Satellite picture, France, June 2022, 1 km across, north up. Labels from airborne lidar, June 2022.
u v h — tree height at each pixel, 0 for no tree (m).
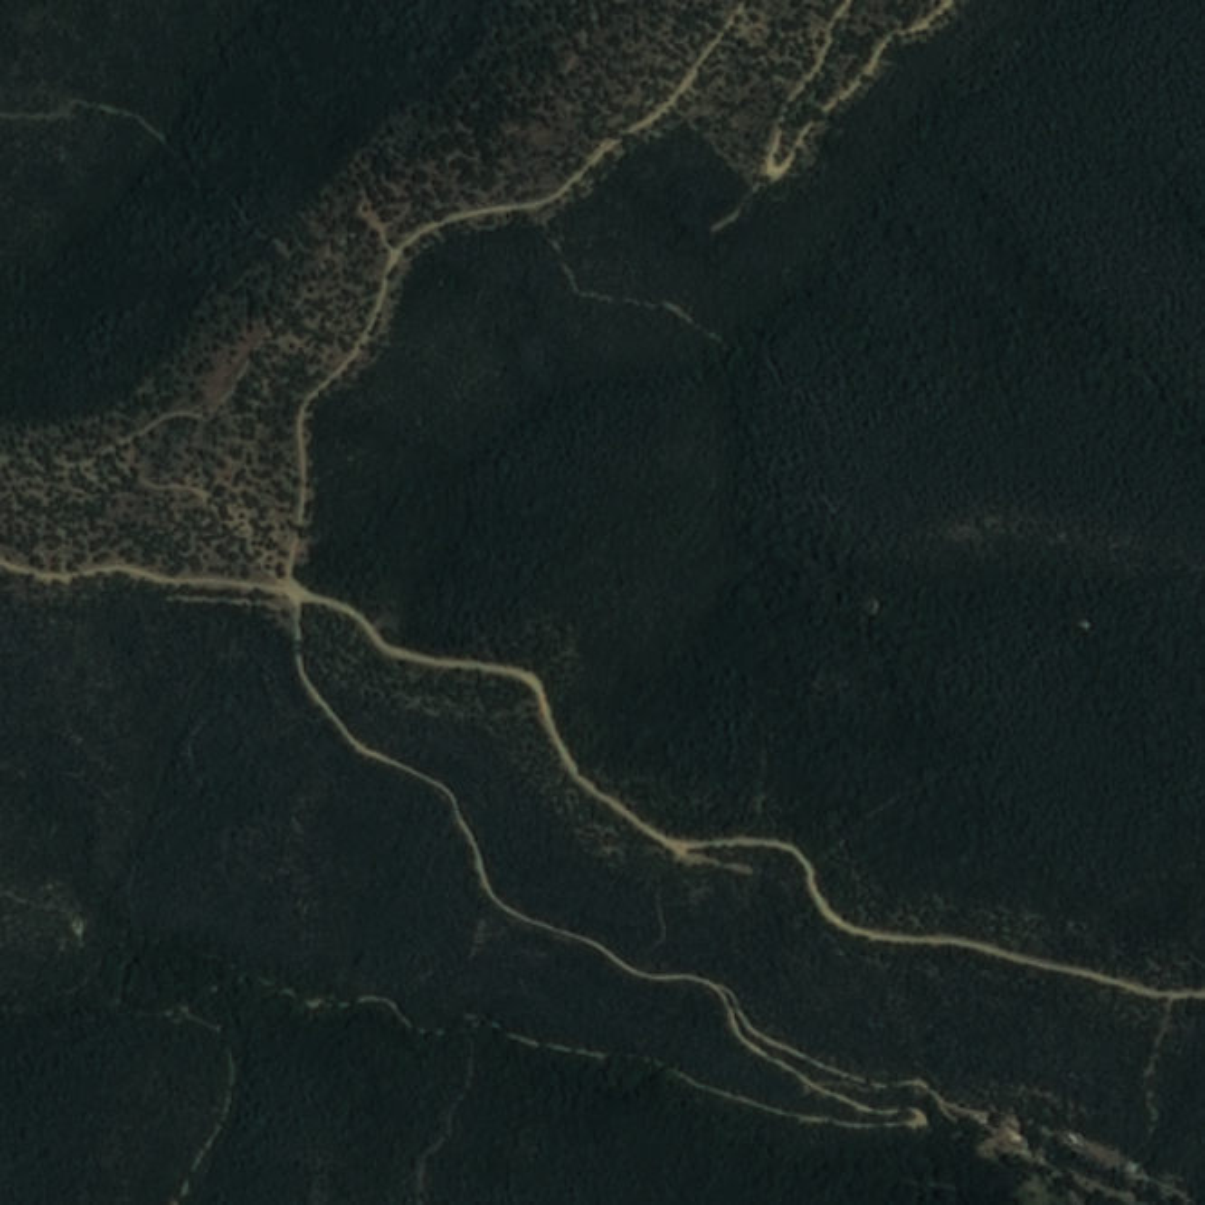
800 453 11
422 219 9
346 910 8
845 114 9
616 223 8
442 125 8
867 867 7
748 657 11
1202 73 9
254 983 13
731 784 9
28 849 8
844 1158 10
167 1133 6
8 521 6
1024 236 10
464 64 8
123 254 7
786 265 9
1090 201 13
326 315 6
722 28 10
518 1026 8
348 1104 10
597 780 6
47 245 7
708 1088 7
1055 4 12
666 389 7
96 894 6
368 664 6
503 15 8
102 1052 6
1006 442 10
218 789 8
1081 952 6
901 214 5
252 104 6
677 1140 10
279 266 8
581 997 6
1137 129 9
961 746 6
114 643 13
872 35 9
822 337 13
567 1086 13
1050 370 10
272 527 7
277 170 6
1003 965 6
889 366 9
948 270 9
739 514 11
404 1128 6
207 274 7
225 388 0
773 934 6
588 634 7
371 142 6
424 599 6
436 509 6
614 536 6
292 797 6
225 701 9
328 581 8
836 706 7
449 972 8
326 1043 6
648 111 7
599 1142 8
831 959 7
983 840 7
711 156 6
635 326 7
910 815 8
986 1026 7
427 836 7
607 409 11
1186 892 6
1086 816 9
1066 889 6
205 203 6
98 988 9
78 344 6
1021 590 11
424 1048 7
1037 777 9
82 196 8
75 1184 7
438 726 6
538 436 13
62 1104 7
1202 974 8
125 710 6
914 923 7
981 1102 9
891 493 9
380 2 6
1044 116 10
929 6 7
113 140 8
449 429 9
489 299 7
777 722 9
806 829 7
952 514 7
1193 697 8
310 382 10
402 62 6
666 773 11
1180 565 7
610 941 7
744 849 7
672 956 8
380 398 7
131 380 7
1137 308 11
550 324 7
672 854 7
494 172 9
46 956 6
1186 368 9
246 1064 9
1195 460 7
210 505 7
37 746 7
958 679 11
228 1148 6
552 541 8
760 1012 6
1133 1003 7
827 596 13
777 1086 6
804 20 8
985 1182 14
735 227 8
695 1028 8
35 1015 8
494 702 6
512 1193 8
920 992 8
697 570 6
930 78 10
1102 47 11
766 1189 7
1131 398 8
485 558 8
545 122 8
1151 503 9
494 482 7
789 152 7
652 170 10
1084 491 10
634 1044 6
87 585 8
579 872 7
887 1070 7
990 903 6
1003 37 10
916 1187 14
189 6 6
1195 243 14
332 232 6
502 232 8
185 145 12
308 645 8
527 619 8
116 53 6
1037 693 10
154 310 7
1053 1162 11
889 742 6
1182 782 10
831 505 7
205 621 6
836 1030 6
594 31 7
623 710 8
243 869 7
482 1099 9
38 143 7
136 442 8
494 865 6
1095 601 13
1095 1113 9
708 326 8
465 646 9
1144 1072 7
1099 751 10
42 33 7
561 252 6
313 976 8
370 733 6
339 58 9
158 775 9
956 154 9
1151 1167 10
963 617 8
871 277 11
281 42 10
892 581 9
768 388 13
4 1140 8
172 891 7
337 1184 6
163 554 8
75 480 6
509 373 11
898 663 11
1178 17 14
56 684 8
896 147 8
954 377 7
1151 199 10
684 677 7
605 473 6
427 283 6
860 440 8
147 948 13
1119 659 7
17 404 6
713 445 9
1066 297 11
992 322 6
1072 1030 9
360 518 10
